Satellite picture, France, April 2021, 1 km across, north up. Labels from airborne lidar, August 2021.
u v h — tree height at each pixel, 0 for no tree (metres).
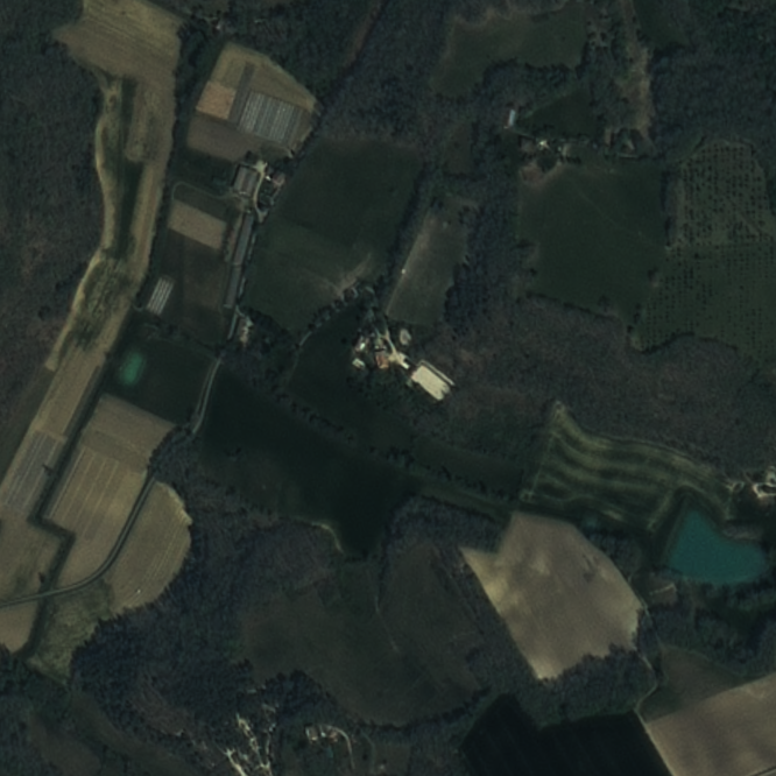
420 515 10
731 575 0
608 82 22
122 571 0
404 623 0
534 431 7
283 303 0
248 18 16
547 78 17
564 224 0
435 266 0
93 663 19
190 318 0
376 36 17
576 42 0
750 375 16
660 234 0
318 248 0
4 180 15
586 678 19
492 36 0
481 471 0
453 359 9
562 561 0
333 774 13
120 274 0
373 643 0
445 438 15
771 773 0
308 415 12
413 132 16
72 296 15
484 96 15
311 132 0
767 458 12
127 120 0
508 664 19
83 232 15
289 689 11
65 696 14
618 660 20
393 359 0
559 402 16
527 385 16
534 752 0
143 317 0
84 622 0
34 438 0
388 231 0
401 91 16
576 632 0
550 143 6
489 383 15
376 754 0
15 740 15
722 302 0
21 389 19
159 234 6
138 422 0
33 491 0
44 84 21
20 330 7
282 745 13
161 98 0
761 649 23
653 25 0
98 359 0
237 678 14
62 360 0
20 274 17
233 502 13
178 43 0
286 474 0
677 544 0
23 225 13
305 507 0
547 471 0
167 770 0
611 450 0
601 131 7
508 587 0
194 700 18
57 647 0
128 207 0
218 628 24
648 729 0
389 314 0
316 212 0
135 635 19
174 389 0
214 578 19
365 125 21
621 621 0
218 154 0
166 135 0
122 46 0
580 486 0
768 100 22
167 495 0
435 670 0
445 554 13
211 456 0
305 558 15
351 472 0
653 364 19
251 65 0
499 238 21
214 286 0
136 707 10
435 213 0
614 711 14
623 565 18
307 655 0
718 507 0
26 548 0
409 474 21
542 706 20
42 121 17
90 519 0
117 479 0
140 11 0
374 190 0
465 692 0
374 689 0
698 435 17
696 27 19
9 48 27
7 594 0
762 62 28
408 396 11
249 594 17
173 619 20
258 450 0
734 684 0
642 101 0
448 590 8
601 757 0
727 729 0
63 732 11
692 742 0
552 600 0
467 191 20
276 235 0
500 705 0
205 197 0
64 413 0
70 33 0
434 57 14
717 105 22
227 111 0
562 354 7
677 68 25
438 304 0
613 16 12
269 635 0
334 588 12
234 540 13
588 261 0
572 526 0
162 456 12
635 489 0
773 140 16
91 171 16
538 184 0
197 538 22
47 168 13
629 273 0
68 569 0
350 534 0
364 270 0
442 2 13
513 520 0
